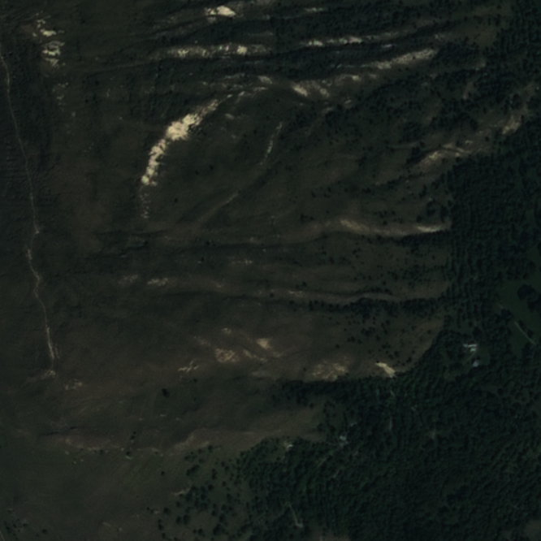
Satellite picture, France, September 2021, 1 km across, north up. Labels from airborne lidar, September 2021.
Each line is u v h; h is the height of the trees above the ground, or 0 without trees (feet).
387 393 49
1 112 0
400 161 0
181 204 0
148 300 0
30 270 0
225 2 24
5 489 0
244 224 0
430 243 37
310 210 0
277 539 44
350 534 19
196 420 0
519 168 0
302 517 41
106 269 0
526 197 48
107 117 0
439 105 0
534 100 47
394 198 0
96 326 0
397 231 0
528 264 55
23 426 0
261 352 0
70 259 0
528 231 65
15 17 0
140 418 0
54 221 0
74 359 0
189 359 0
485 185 42
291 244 0
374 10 25
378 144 0
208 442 0
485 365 0
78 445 0
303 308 0
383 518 66
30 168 0
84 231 0
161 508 0
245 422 0
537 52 54
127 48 0
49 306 0
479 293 51
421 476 84
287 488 51
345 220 0
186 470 0
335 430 42
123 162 0
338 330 0
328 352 0
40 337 0
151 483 0
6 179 0
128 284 0
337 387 47
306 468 41
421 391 36
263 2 0
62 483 0
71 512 0
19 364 0
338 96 0
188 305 0
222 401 0
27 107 0
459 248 33
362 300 37
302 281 0
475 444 67
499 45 25
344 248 0
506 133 0
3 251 0
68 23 0
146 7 0
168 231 0
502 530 52
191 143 0
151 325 0
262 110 0
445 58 28
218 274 0
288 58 19
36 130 0
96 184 0
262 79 0
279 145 0
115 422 0
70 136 0
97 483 0
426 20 0
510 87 43
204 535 28
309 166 0
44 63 0
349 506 44
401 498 73
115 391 0
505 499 54
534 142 62
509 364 59
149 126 0
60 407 0
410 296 0
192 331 0
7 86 0
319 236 0
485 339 57
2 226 0
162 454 0
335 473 49
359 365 0
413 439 52
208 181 0
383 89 22
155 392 0
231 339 0
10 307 0
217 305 0
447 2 35
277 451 31
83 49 0
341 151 0
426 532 88
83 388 0
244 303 0
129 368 0
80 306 0
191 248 0
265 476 37
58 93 0
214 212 0
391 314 29
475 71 28
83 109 0
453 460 54
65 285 0
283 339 0
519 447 45
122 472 0
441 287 0
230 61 0
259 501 37
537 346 0
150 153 0
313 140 0
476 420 73
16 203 0
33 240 0
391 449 49
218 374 0
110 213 0
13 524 0
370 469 32
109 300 0
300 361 0
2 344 0
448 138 0
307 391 23
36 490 0
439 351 48
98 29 0
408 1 0
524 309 0
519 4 25
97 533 0
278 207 0
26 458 0
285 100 0
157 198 0
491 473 65
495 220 67
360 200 0
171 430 0
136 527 0
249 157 0
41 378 0
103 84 0
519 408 53
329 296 0
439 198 0
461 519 51
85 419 0
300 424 0
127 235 0
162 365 0
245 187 0
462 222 46
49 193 0
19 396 0
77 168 0
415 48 22
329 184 0
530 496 65
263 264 0
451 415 61
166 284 0
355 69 0
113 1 0
